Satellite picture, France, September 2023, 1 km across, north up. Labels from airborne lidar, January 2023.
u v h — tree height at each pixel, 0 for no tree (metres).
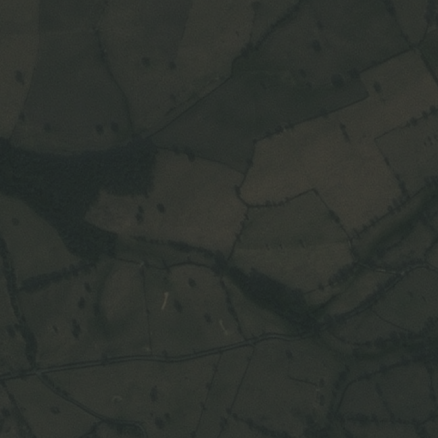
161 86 0
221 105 0
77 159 20
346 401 0
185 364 0
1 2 0
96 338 0
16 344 0
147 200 0
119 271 0
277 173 0
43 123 0
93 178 16
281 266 0
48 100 0
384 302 0
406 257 0
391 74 0
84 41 0
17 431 0
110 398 0
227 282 0
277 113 0
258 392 0
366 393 0
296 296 19
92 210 0
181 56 0
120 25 0
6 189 8
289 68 0
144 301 0
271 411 0
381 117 0
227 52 0
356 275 0
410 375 0
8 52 0
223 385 0
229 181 0
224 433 0
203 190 0
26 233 0
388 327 0
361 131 0
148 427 0
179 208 0
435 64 0
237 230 0
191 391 0
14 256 0
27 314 0
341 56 0
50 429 0
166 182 0
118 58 0
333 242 0
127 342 0
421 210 0
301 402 0
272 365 0
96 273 0
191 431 0
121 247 0
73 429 0
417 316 0
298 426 0
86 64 0
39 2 0
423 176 0
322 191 0
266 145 0
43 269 0
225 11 0
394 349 0
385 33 0
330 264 0
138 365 0
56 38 0
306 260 0
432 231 14
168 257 0
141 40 0
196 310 0
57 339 0
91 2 0
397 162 0
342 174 0
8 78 0
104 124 0
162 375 0
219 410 0
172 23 0
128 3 0
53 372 0
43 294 0
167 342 0
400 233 0
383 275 0
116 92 0
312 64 0
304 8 0
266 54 0
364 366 0
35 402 0
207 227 0
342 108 0
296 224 0
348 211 0
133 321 0
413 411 0
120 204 0
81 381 0
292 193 0
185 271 0
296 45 0
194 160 0
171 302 0
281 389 0
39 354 0
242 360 0
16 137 0
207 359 0
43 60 0
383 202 0
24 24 0
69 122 0
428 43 0
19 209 0
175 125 0
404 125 0
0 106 0
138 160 23
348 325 0
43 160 15
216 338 0
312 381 0
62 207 7
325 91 0
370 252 0
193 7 0
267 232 0
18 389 0
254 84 0
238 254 0
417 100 0
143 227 0
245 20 0
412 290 0
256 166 0
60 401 0
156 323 0
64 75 0
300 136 0
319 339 0
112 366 0
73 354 0
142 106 0
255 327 0
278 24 7
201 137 0
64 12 0
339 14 0
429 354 23
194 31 0
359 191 0
